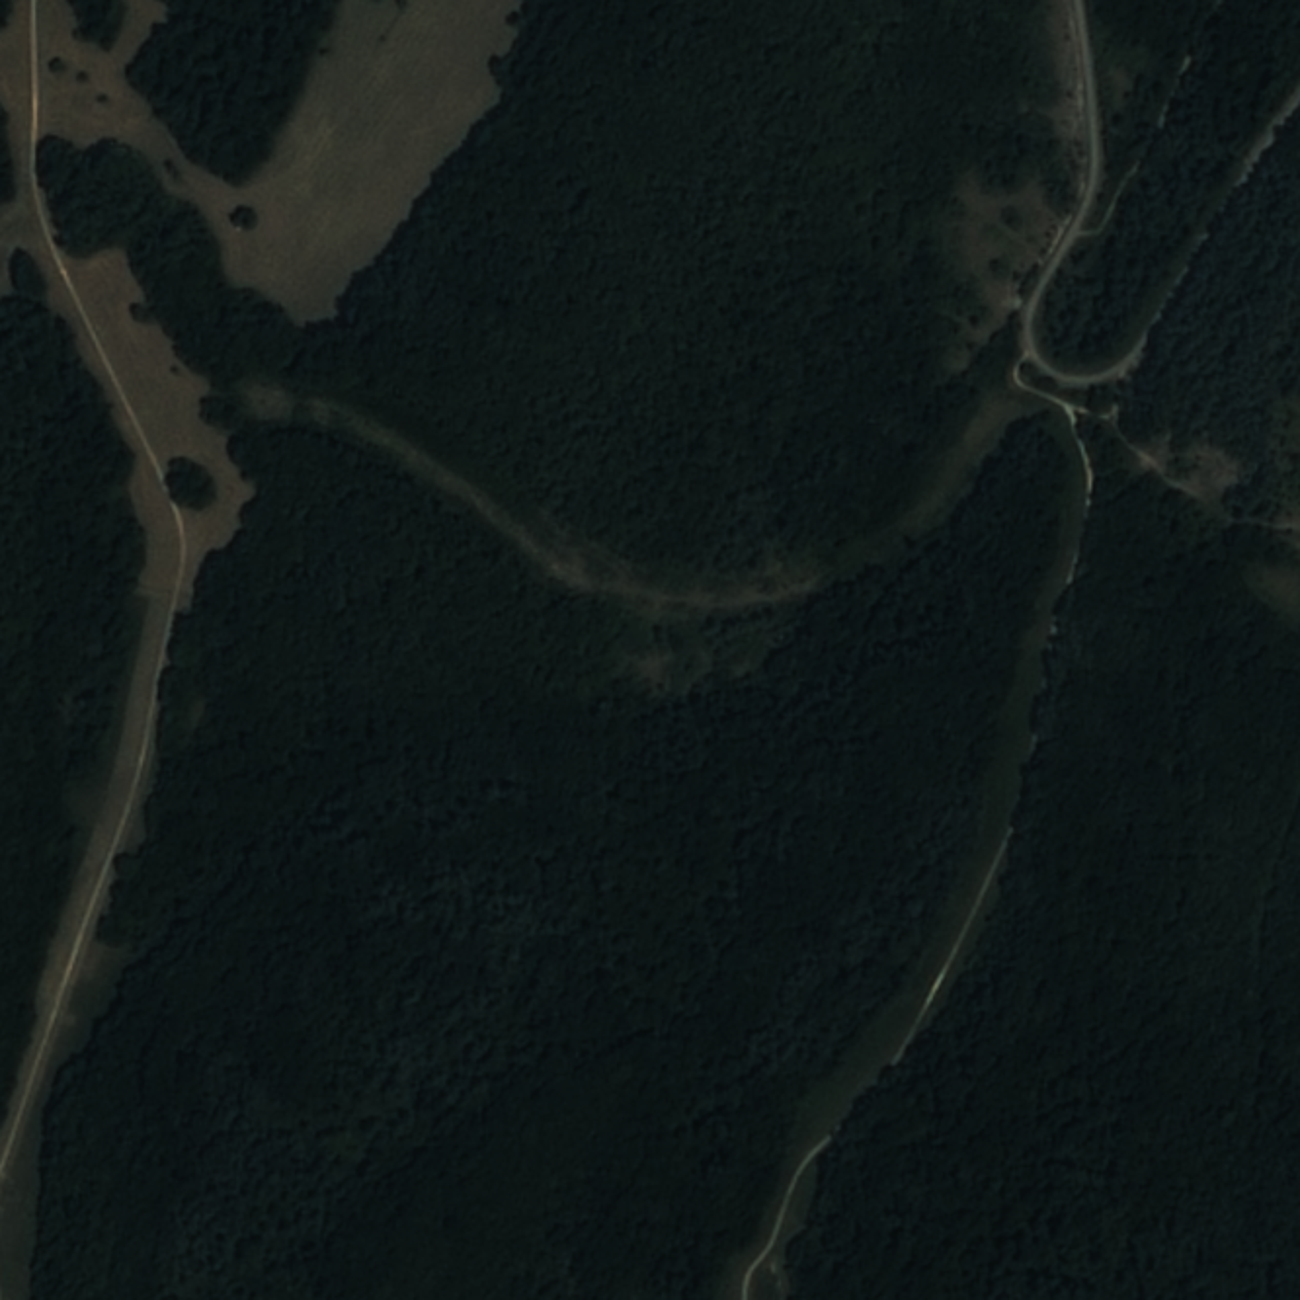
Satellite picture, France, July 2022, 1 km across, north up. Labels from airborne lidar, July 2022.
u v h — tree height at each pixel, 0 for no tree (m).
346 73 0
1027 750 0
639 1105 23
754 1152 14
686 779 22
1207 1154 26
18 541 18
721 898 10
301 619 21
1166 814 27
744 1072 19
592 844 21
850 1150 20
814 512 13
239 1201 19
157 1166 19
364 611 24
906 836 20
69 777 12
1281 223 18
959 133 22
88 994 0
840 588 13
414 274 27
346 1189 15
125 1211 13
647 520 19
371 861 18
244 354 18
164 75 17
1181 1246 25
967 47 18
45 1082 0
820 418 20
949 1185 24
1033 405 0
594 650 13
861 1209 27
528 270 26
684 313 14
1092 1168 13
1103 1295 33
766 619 15
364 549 23
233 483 0
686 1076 24
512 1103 16
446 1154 16
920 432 17
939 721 16
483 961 17
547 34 18
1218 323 13
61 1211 14
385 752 20
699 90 20
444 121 0
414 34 0
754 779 20
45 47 0
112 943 10
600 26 22
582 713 19
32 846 19
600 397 18
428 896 10
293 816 15
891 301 14
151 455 0
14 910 22
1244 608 8
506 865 29
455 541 22
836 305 16
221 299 7
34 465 15
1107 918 25
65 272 0
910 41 20
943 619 13
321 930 20
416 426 7
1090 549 10
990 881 0
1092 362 14
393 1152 7
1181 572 19
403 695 22
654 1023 10
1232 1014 23
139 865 9
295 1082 23
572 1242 15
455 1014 20
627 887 9
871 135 13
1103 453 11
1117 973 23
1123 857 21
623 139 21
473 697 18
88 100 0
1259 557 13
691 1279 10
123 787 0
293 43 11
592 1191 17
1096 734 24
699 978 14
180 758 6
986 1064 22
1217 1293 28
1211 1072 19
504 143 22
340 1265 16
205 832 18
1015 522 15
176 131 11
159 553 0
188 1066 19
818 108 15
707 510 11
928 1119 24
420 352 22
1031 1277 10
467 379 22
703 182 17
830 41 12
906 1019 0
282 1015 25
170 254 21
